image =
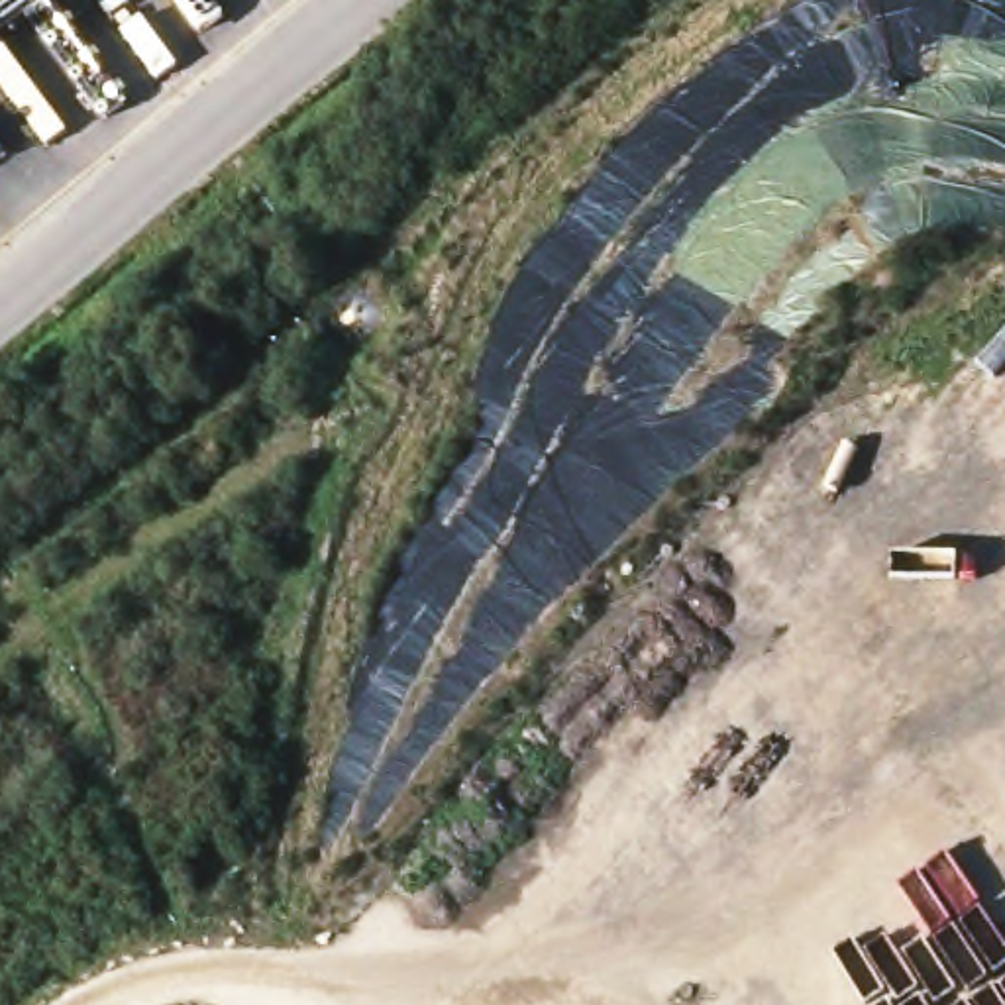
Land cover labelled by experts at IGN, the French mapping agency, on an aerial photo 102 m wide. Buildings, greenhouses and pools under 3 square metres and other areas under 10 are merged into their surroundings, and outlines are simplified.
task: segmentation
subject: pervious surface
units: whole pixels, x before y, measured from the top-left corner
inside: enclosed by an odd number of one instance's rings
[[[185,0],[130,0],[130,12],[145,16],[145,24],[173,51],[173,63],[165,71],[149,75],[133,47],[122,39],[118,24],[102,12],[102,0],[59,0],[75,31],[94,47],[102,71],[122,86],[122,98],[133,106],[126,118],[114,118],[110,126],[98,126],[90,118],[90,110],[75,98],[71,79],[51,63],[47,47],[39,43],[39,27],[51,20],[43,12],[0,16],[0,51],[12,51],[20,59],[27,79],[59,114],[59,130],[51,137],[35,137],[24,110],[16,110],[0,94],[0,338],[16,342],[35,318],[55,314],[59,302],[86,275],[110,263],[149,220],[157,220],[185,192],[200,188],[228,161],[228,153],[239,153],[247,141],[255,141],[302,94],[322,86],[365,43],[373,43],[400,0],[212,0],[220,4],[220,16],[212,24],[188,27],[181,20]]]
[[[149,946],[145,958],[110,958],[98,974],[86,974],[82,981],[67,985],[59,997],[39,1005],[1005,1005],[1005,326],[978,353],[954,353],[950,365],[958,373],[946,385],[915,385],[911,373],[891,377],[860,345],[840,385],[813,408],[813,416],[793,424],[742,483],[726,487],[722,499],[714,499],[703,510],[703,518],[691,530],[683,530],[679,546],[660,546],[652,569],[644,573],[632,597],[612,601],[601,589],[589,589],[593,577],[585,573],[585,565],[597,554],[608,554],[612,538],[660,491],[667,491],[675,479],[699,475],[699,455],[714,451],[722,436],[734,436],[738,420],[758,420],[781,400],[793,365],[793,342],[801,349],[820,345],[828,330],[840,326],[840,306],[824,291],[848,279],[860,279],[864,287],[891,287],[891,259],[883,251],[895,247],[903,236],[915,236],[934,224],[974,220],[978,212],[1005,212],[1005,0],[769,0],[766,20],[738,31],[718,0],[703,0],[687,16],[687,27],[679,35],[656,39],[648,51],[632,55],[620,71],[605,79],[605,86],[593,98],[581,102],[581,118],[569,133],[577,141],[601,133],[608,137],[608,145],[593,173],[565,192],[565,212],[534,236],[499,302],[499,314],[479,353],[479,369],[455,385],[455,455],[428,495],[412,495],[408,506],[416,526],[400,530],[400,546],[389,557],[381,585],[373,593],[369,624],[361,632],[345,632],[342,683],[349,722],[342,750],[338,758],[310,758],[298,793],[298,820],[283,828],[275,848],[279,903],[263,907],[263,899],[251,899],[251,919],[228,919],[220,942],[212,946],[173,942]],[[459,840],[467,848],[487,848],[499,836],[499,820],[483,817],[475,824],[463,820],[451,828],[440,828],[432,820],[424,824],[424,836],[408,852],[404,868],[381,864],[369,891],[357,887],[357,879],[342,879],[334,868],[349,856],[349,840],[361,832],[400,836],[412,817],[420,817],[420,805],[408,793],[408,785],[436,785],[448,777],[448,766],[459,750],[459,734],[471,730],[471,714],[479,711],[479,703],[499,699],[514,679],[522,679],[538,648],[554,636],[561,620],[577,620],[585,612],[597,620],[597,628],[581,636],[561,671],[554,671],[554,687],[542,703],[542,722],[522,730],[526,742],[557,746],[569,758],[577,781],[577,789],[565,801],[569,809],[561,817],[546,817],[538,824],[538,840],[503,860],[487,891],[463,875],[463,856],[451,852],[451,844]]]

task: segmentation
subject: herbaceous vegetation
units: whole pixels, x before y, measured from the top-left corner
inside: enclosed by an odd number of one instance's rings
[[[860,345],[891,377],[911,373],[915,385],[946,385],[958,373],[950,365],[954,353],[978,353],[1005,326],[1005,263],[985,263],[981,271],[966,271],[966,263],[942,267],[926,294],[887,322],[887,338],[868,338]]]
[[[212,463],[220,432],[228,432],[232,416],[243,408],[243,393],[232,389],[212,412],[192,420],[188,432],[165,440],[145,463],[126,471],[118,487],[145,495],[145,487],[153,487],[169,471],[169,459],[177,451],[192,451],[200,455],[200,463]]]
[[[141,526],[126,554],[98,561],[63,589],[43,589],[31,569],[8,565],[0,573],[0,683],[20,675],[20,656],[39,656],[47,663],[43,687],[59,714],[75,722],[79,742],[94,758],[94,766],[130,766],[137,758],[137,734],[110,703],[102,675],[94,667],[90,640],[79,620],[94,612],[98,593],[110,593],[133,569],[141,569],[153,546],[196,530],[208,514],[220,514],[232,499],[267,483],[279,471],[279,463],[318,448],[334,448],[349,455],[353,467],[342,483],[330,538],[314,546],[302,569],[283,577],[275,608],[259,636],[259,656],[283,663],[275,695],[275,734],[306,742],[310,758],[338,758],[342,750],[349,722],[342,683],[345,632],[361,632],[369,624],[373,593],[381,585],[389,557],[400,546],[400,530],[416,526],[408,506],[412,495],[428,495],[455,455],[455,385],[479,369],[479,353],[499,314],[499,302],[534,236],[565,212],[565,192],[593,173],[608,145],[608,137],[601,133],[577,141],[569,133],[581,118],[581,102],[593,98],[605,86],[605,79],[620,71],[632,55],[648,51],[656,39],[679,35],[687,27],[687,16],[703,0],[660,0],[644,20],[640,35],[616,43],[589,71],[569,79],[569,86],[542,114],[506,133],[491,149],[491,157],[483,157],[467,177],[432,181],[428,196],[400,228],[389,255],[373,271],[365,271],[349,291],[342,326],[357,326],[365,338],[326,416],[283,420],[275,436],[259,444],[255,459],[232,467],[200,503],[188,503],[177,514]]]
[[[412,817],[400,836],[361,832],[349,840],[349,856],[334,868],[342,879],[357,879],[357,887],[369,891],[381,864],[404,868],[408,852],[424,836],[424,824],[432,820],[432,813],[444,805],[436,785],[408,785],[408,793],[420,805],[420,817]]]
[[[16,342],[0,338],[0,373],[24,377],[47,345],[79,342],[79,334],[94,322],[106,326],[110,306],[126,306],[145,294],[165,255],[181,251],[239,196],[263,192],[267,181],[279,177],[279,161],[271,161],[271,153],[263,153],[255,141],[247,141],[239,153],[228,153],[228,161],[200,188],[185,192],[157,220],[149,220],[110,263],[86,275],[59,302],[55,314],[35,318]]]
[[[769,0],[718,0],[738,31],[766,20]]]
[[[188,907],[188,872],[165,868],[161,883],[169,895],[169,915],[110,911],[102,930],[110,958],[145,958],[149,946],[173,942],[212,946],[220,942],[228,919],[196,915]]]

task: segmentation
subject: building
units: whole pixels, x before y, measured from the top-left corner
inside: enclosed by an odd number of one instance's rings
[[[75,98],[90,110],[90,118],[98,126],[110,126],[114,118],[126,118],[133,106],[122,98],[122,86],[102,71],[94,47],[75,31],[59,0],[0,0],[0,16],[43,12],[51,20],[39,27],[39,43],[47,47],[51,63],[71,79]]]
[[[24,110],[35,137],[51,137],[59,130],[59,114],[27,79],[20,59],[12,51],[0,51],[0,94],[16,110]]]
[[[145,24],[145,16],[130,12],[130,0],[102,0],[102,12],[118,24],[122,39],[133,47],[149,75],[165,71],[173,63],[173,51]]]
[[[212,24],[220,16],[220,4],[212,0],[185,0],[181,20],[188,27]]]

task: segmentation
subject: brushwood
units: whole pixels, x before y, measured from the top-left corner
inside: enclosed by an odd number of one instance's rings
[[[263,153],[271,153],[271,161],[279,161],[279,177],[267,181],[263,192],[239,196],[181,251],[165,255],[145,294],[126,306],[110,306],[106,326],[94,322],[79,334],[79,342],[47,345],[24,377],[0,373],[0,573],[8,565],[31,569],[43,589],[63,589],[98,561],[126,554],[141,526],[177,514],[188,503],[200,503],[232,467],[255,459],[259,444],[275,436],[283,420],[326,416],[365,338],[357,326],[342,326],[349,291],[365,271],[373,271],[389,255],[400,228],[428,196],[432,181],[467,177],[483,157],[491,157],[491,149],[506,133],[542,114],[569,86],[569,79],[589,71],[616,43],[640,35],[644,20],[660,0],[400,0],[373,43],[365,43],[322,86],[302,94],[255,141]],[[169,459],[169,471],[153,487],[145,487],[145,495],[118,487],[126,471],[145,463],[165,440],[188,432],[192,420],[212,412],[232,389],[243,393],[243,408],[232,416],[228,432],[220,432],[212,463],[200,463],[200,455],[192,451],[177,451]]]
[[[891,259],[891,287],[864,287],[860,279],[848,279],[824,291],[840,306],[840,326],[828,330],[820,345],[801,349],[793,342],[793,365],[781,400],[758,420],[738,420],[734,436],[722,436],[714,451],[699,455],[699,475],[675,479],[667,491],[660,491],[612,538],[608,554],[597,554],[585,565],[585,573],[593,577],[589,589],[601,589],[612,601],[632,597],[644,573],[652,569],[660,546],[679,546],[683,530],[691,530],[703,518],[703,510],[714,499],[722,499],[726,487],[742,483],[793,424],[813,416],[813,408],[840,385],[860,345],[868,338],[887,338],[887,322],[926,294],[942,267],[966,263],[966,271],[981,271],[985,263],[1005,263],[1005,212],[978,212],[974,220],[934,224],[915,236],[903,236],[895,247],[883,251]]]
[[[90,640],[94,667],[102,675],[110,703],[137,734],[137,758],[130,766],[94,766],[94,758],[79,742],[75,722],[59,714],[43,687],[47,663],[39,656],[20,656],[20,675],[0,683],[0,1005],[39,1005],[59,997],[67,985],[82,981],[86,974],[98,974],[110,958],[102,930],[110,911],[169,915],[169,895],[161,883],[165,868],[188,872],[188,907],[196,915],[228,919],[251,919],[251,899],[263,899],[263,907],[279,903],[275,848],[283,828],[298,820],[298,793],[310,758],[306,742],[275,734],[275,695],[283,663],[259,656],[259,636],[275,608],[283,577],[302,569],[314,546],[330,538],[342,483],[353,467],[349,455],[334,448],[318,448],[279,463],[279,471],[267,483],[232,499],[220,514],[208,514],[196,530],[153,546],[141,569],[133,569],[110,593],[98,593],[94,612],[79,620]]]
[[[542,722],[542,703],[554,687],[554,671],[561,671],[581,636],[597,628],[597,620],[585,612],[577,620],[561,620],[554,636],[538,648],[522,679],[514,679],[499,699],[479,703],[479,711],[471,714],[471,730],[459,734],[459,750],[448,766],[448,777],[436,785],[444,805],[432,813],[432,820],[440,828],[451,828],[463,820],[475,824],[483,817],[499,820],[499,836],[487,848],[467,848],[459,840],[451,844],[451,852],[463,856],[463,875],[487,891],[503,860],[538,840],[538,824],[546,817],[561,817],[569,809],[565,801],[577,789],[577,781],[569,758],[557,746],[526,742],[522,730]]]

